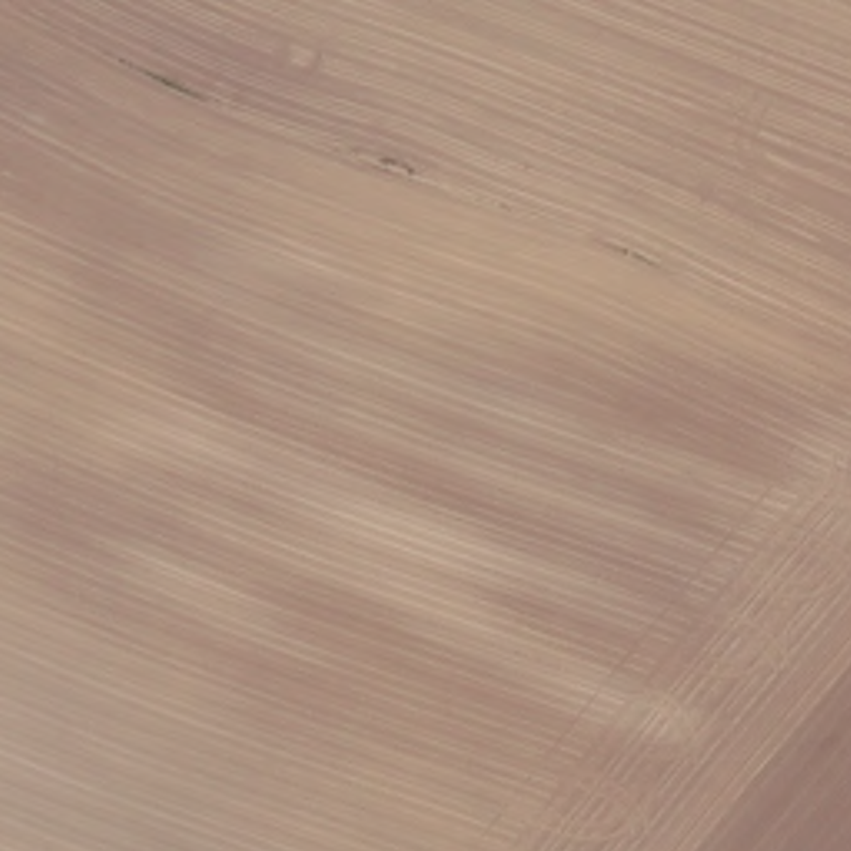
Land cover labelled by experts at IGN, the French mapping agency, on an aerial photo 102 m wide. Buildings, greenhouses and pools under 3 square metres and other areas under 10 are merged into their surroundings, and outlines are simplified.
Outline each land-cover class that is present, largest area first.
<instances>
[{"label":"agricultural land","instance_id":"1","mask_svg":"<svg viewBox=\"0 0 851 851\"><path fill-rule=\"evenodd\" d=\"M0 851H851V0H0Z\"/></svg>","mask_w":851,"mask_h":851}]
</instances>
